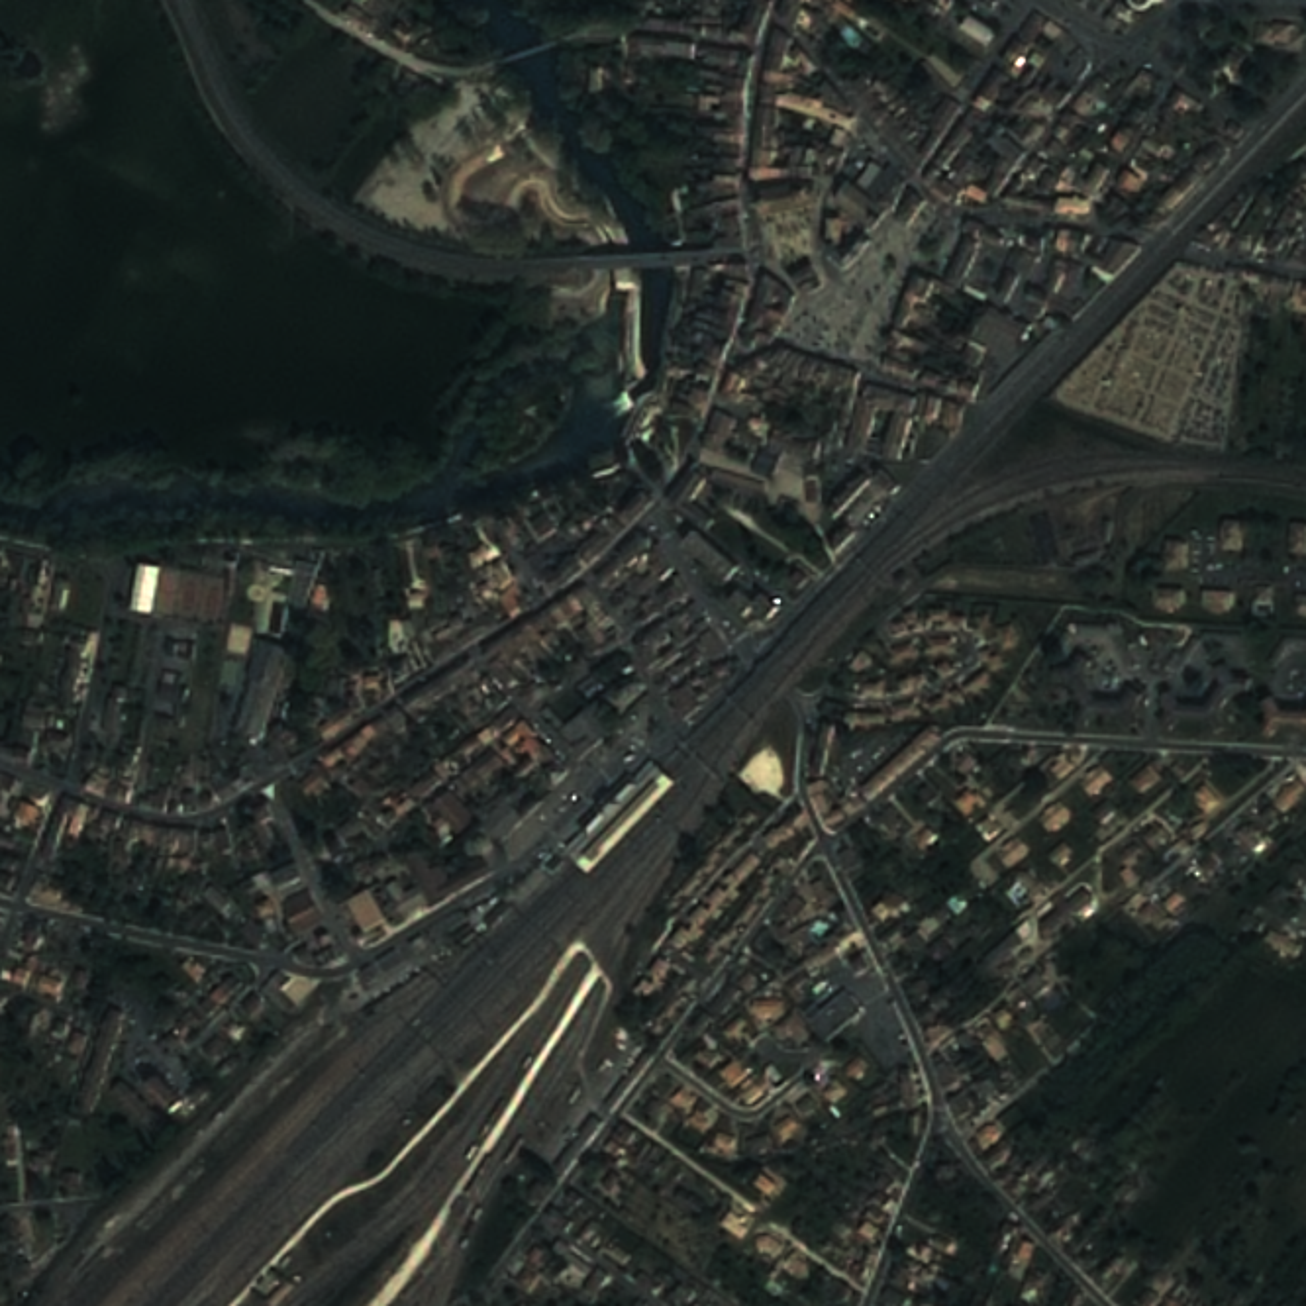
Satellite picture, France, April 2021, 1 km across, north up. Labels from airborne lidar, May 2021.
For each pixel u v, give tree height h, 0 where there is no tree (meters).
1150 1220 0
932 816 7
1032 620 0
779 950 10
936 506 0
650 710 0
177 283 0
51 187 0
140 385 0
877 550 0
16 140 0
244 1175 0
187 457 0
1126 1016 11
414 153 10
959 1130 0
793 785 0
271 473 12
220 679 0
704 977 0
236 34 0
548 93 0
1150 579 10
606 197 14
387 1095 0
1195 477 0
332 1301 0
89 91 0
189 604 0
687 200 8
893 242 0
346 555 0
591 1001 0
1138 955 15
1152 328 0
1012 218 0
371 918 0
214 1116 0
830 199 0
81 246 0
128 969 9
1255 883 11
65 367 0
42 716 0
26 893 0
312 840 27
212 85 0
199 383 0
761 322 0
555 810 0
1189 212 0
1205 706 0
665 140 27
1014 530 0
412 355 0
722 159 0
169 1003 6
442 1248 0
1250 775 6
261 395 0
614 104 25
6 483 27
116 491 0
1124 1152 12
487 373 12
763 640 0
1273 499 0
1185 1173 0
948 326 6
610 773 0
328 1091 0
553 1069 0
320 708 7
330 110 0
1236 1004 0
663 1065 0
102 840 7
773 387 0
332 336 0
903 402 0
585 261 0
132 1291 0
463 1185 0
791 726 0
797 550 12
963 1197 10
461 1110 0
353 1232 0
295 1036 0
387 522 20
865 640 6
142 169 0
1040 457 0
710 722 0
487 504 11
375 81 15
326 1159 0
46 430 0
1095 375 0
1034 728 0
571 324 9
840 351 0
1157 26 0
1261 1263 0
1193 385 0
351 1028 0
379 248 0
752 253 0
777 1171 12
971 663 0
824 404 7
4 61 11
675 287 8
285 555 0
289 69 0
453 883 0
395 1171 0
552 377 13
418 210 0
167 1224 0
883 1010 0
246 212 0
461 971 0
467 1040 0
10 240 0
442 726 7
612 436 0
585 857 0
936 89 20
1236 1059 0
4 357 0
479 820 11
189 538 11
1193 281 0
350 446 16
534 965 0
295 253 0
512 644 0
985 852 0
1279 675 0
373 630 13
